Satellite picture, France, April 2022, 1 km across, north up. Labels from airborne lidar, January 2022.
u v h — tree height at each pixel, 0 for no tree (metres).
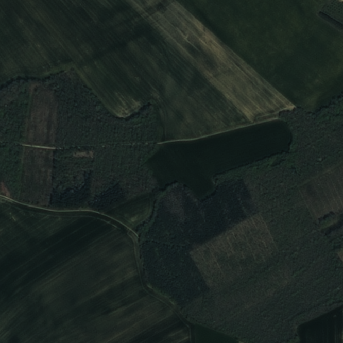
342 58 0
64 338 0
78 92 22
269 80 0
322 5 0
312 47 0
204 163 0
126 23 0
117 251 0
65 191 12
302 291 14
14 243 0
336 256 14
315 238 16
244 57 0
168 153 0
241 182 15
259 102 0
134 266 0
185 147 0
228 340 0
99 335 0
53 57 0
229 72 0
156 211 13
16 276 0
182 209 17
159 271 15
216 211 19
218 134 0
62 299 0
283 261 15
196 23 0
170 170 0
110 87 0
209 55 0
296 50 0
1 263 0
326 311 21
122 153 16
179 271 16
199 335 0
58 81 21
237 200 15
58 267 0
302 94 0
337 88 0
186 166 0
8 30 0
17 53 0
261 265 15
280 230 14
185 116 0
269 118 0
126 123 18
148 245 16
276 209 15
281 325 17
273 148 0
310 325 0
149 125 14
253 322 10
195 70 0
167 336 0
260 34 0
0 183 0
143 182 16
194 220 15
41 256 0
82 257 0
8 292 0
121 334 0
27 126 19
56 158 11
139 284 0
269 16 0
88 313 0
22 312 0
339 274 14
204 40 0
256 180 16
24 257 0
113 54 0
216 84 0
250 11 0
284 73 0
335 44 0
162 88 0
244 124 0
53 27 0
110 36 0
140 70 0
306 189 0
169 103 0
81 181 18
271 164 14
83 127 14
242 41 0
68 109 15
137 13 0
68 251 0
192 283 15
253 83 0
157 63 0
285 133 0
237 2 0
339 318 0
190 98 0
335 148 14
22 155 20
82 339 0
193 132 0
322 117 20
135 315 0
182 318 0
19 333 0
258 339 13
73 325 0
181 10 0
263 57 0
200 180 0
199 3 0
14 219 0
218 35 0
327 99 0
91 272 0
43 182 0
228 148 0
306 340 0
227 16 0
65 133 13
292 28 0
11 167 18
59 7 0
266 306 13
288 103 0
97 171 15
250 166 9
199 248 16
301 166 14
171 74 0
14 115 9
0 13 0
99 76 0
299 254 14
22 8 0
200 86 0
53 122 0
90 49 0
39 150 0
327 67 0
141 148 13
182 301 18
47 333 0
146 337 0
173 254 16
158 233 19
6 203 0
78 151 19
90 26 0
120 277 0
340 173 0
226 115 0
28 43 0
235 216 18
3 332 0
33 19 0
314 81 0
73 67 0
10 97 26
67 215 0
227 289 15
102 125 16
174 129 0
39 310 0
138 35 0
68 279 0
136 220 0
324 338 0
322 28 0
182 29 0
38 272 0
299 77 0
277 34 0
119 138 10
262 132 0
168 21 0
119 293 0
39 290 0
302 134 17
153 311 0
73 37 0
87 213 0
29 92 20
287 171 15
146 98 0
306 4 0
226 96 0
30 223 0
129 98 0
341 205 0
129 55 0
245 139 0
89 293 0
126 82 0
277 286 14
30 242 0
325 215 0
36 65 0
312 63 0
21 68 0
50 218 0
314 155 13
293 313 16
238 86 0
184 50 0
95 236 0
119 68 0
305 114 16
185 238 15
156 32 0
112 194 25
